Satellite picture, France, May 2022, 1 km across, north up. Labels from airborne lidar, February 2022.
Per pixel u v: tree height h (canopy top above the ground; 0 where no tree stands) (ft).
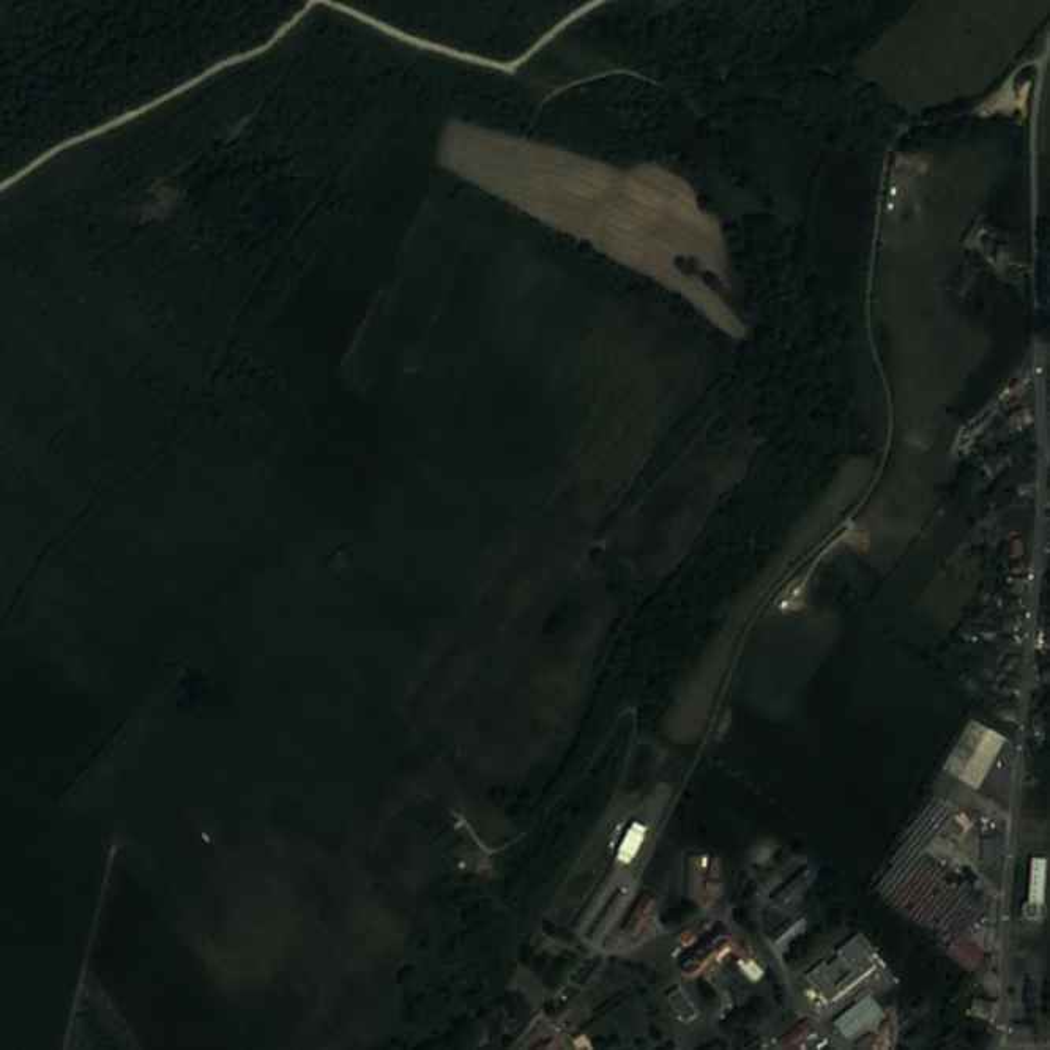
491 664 0
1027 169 0
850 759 0
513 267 0
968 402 0
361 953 0
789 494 40
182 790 0
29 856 0
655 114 28
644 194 0
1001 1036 0
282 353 0
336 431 0
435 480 0
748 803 0
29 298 0
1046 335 92
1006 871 0
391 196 0
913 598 0
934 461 0
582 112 17
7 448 0
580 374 0
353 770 0
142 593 0
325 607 0
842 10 70
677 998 0
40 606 0
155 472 0
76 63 57
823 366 51
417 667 0
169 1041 0
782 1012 0
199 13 65
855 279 0
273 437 0
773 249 77
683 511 0
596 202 0
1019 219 0
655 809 0
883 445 0
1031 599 0
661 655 22
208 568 0
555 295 0
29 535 0
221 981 0
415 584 0
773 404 31
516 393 0
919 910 0
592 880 0
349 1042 0
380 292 0
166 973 0
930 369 0
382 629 0
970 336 0
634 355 0
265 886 0
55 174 0
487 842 0
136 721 0
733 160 34
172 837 0
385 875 0
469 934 24
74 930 0
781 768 0
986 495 23
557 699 0
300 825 0
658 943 0
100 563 0
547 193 0
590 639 0
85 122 38
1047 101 0
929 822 0
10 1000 0
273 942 0
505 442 0
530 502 0
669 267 0
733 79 37
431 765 0
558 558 0
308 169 19
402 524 0
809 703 0
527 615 0
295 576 0
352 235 0
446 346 0
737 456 0
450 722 0
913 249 0
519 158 0
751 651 0
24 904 0
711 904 0
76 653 0
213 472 0
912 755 0
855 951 0
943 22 0
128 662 0
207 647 0
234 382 30
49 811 0
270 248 20
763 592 0
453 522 0
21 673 0
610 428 0
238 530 0
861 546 0
